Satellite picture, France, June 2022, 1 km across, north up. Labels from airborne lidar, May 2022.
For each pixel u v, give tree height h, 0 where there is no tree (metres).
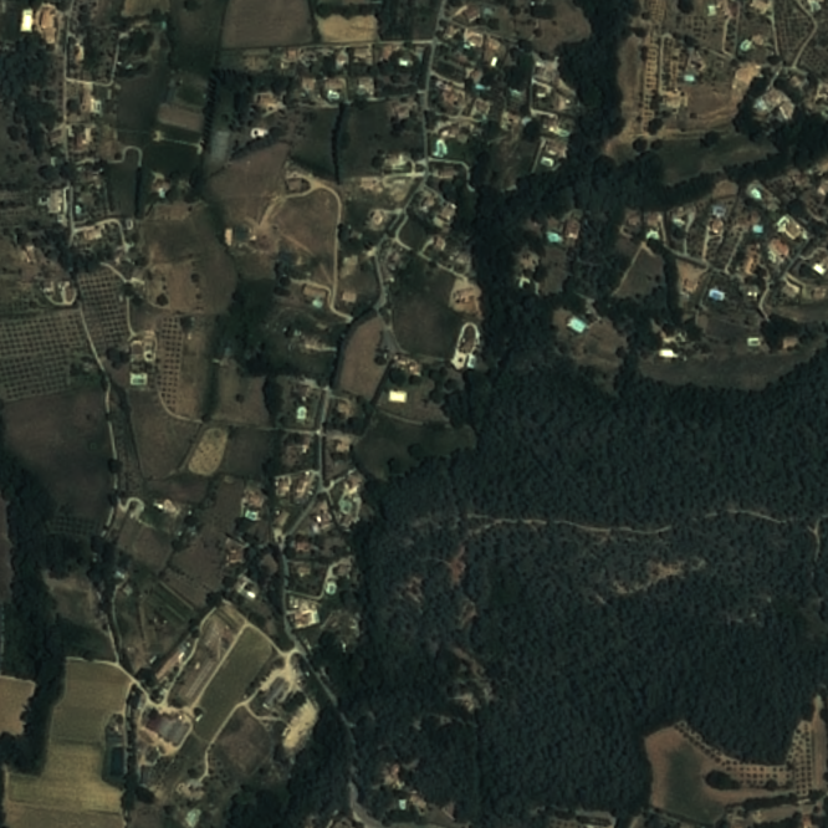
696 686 12
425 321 0
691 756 0
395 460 14
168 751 0
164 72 0
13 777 0
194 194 7
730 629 14
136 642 0
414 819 19
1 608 12
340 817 7
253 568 8
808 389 18
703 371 0
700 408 23
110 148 0
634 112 0
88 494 0
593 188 7
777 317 13
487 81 13
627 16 21
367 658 16
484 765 23
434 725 16
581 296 9
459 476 23
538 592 15
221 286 0
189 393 0
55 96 16
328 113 0
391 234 9
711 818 0
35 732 29
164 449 0
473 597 20
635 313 18
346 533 10
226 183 0
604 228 8
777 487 17
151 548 0
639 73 0
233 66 0
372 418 6
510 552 22
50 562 17
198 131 0
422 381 17
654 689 23
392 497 22
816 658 6
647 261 0
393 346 0
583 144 25
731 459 18
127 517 0
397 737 20
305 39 0
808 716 11
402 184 0
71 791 0
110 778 0
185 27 0
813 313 0
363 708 24
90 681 0
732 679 7
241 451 0
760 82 13
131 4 0
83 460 0
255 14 0
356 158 0
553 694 15
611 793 20
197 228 0
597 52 18
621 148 0
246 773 0
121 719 7
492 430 26
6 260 0
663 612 12
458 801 22
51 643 20
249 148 12
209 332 0
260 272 0
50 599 18
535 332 26
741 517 12
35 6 14
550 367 20
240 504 0
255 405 0
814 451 19
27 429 0
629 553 13
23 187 12
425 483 22
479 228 21
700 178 10
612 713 21
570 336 0
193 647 0
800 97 11
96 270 20
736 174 12
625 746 20
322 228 0
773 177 7
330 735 20
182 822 0
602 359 0
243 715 0
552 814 10
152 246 0
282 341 0
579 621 12
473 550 14
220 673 0
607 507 14
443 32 9
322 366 0
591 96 28
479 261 18
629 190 20
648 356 14
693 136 0
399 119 10
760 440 22
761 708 8
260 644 0
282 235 0
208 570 0
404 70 8
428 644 11
